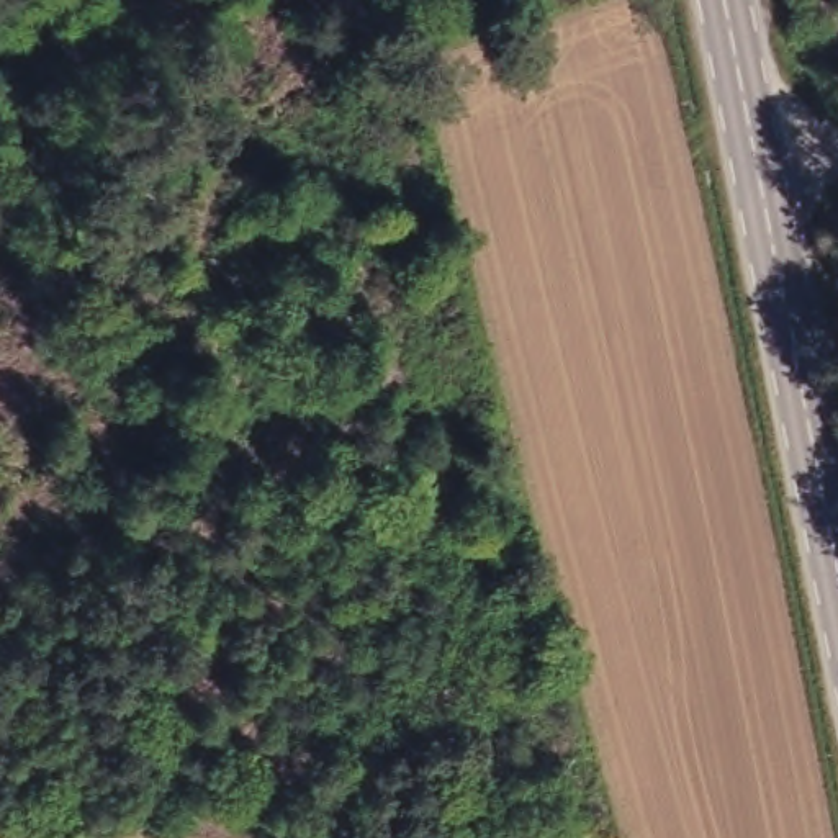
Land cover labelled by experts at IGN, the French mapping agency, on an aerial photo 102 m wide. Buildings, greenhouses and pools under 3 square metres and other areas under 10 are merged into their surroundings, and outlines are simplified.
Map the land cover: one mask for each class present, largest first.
<instances>
[{"label":"deciduous trees","instance_id":"1","mask_svg":"<svg viewBox=\"0 0 838 838\"><path fill-rule=\"evenodd\" d=\"M403 187L386 190L308 154H282L275 144L252 137L246 128H236L226 118L223 101H196L193 111L183 115L180 134L173 137L164 164H144L128 170L118 183L105 187L101 200L92 203V216L79 226L75 249L62 255L65 268L88 265L98 275L95 288L79 301V311L69 324L52 327V334L33 347L46 367V376L52 370H65L75 380L79 396H65L72 409V426L52 445V465L39 478L49 481L59 507H105L108 491L98 481V465L88 458L92 432H105L108 422H147L160 409L157 386L111 393V376L134 357H141L147 347L173 337V331L157 327L160 318H187V295L200 291L206 285V272L219 262V255L232 252L242 242H288L314 229L321 236L318 259L340 275V285L331 295L327 288L304 285L298 278L288 282L268 301L262 314H246L236 308L219 324H200V340L216 357L219 376L210 383L203 399H193L187 406L183 416L193 462L187 471L154 478L144 491H134L137 514L124 527L128 537L151 540L157 530L187 527L200 514L203 491L223 465L229 442H236L255 419H265L272 412H291L347 419L357 406L373 399L390 383V376H383V363L376 360L380 318L399 311L409 301V291L429 275V259L448 252L471 229L465 219L455 216L448 183L429 177L426 167H396ZM331 462L337 465L324 491L318 484H295L275 494L272 481L246 488L239 501V517L249 530V540H242L239 553L196 560V576L183 592L173 589V566L167 563L154 570L147 586H134L131 579L111 586V592H118L124 606H144L157 622L173 625L193 642V648L180 661V671L167 678L164 665H151L124 687L121 701L79 697L75 681L65 678L62 707L49 717H29L26 727L0 707V838H547V825L563 822L566 809V799L556 795L547 782L563 769V756L527 730L524 714L547 710L563 701H583V687L592 678V651H586V632L573 622L566 609V599L556 586V566L540 547L530 507L488 491L481 504L465 507L462 524L455 530H445L435 524L439 475H416L409 465H396V442L383 435L373 448L331 445Z\"/></svg>","mask_w":838,"mask_h":838},{"label":"agricultural land","instance_id":"2","mask_svg":"<svg viewBox=\"0 0 838 838\"><path fill-rule=\"evenodd\" d=\"M556 39V59L543 88L514 92L498 85L478 39H468L465 46H448L442 59L452 65V85L465 98V111L458 115V121L442 124L435 131L448 183L455 216L465 219L471 229L484 236V246L471 259V272L501 376V399L511 412V435L520 455L524 491L530 507L540 547L556 566V586L566 599V609L573 622L586 632V651H592V678L583 687V701L602 779L612 795L615 822L629 838H831L792 622L786 609L782 570L769 527L756 448L743 409V390L737 376L733 337L720 298L710 236L678 115L668 56L658 36L638 13L629 10V0H599L583 3L550 23Z\"/></svg>","mask_w":838,"mask_h":838},{"label":"herbaceous vegetation","instance_id":"3","mask_svg":"<svg viewBox=\"0 0 838 838\"><path fill-rule=\"evenodd\" d=\"M216 20L203 0H118V16L111 23H101L88 29L82 39L69 43L59 59L36 62L29 75L10 92L13 105L33 111H49L52 101L62 95L65 105H79L88 121L101 124L108 121V92L131 95L144 92L147 82L164 79V72L151 69L141 56V46L151 33H167L177 26L200 29L203 23ZM520 13V0H471V33L498 20H514ZM668 56L678 115L710 236L720 298L733 337L737 376L743 390V409L756 448L769 527L782 570L786 609L792 622L831 838H838V743L825 701L822 661L802 586L795 534L786 511V488L769 419V399L756 360V331L750 324L753 311L746 304L740 278L733 223L723 190V167L717 157V131L704 95V75L691 39L687 13L658 36ZM321 236L314 229L288 242H242L232 252L219 255V262L206 272V285L200 291L187 295V318H160L157 327L173 331V337L147 347L141 357H134L111 376V393L157 386L160 409L147 422H108L105 432H92L88 458L98 465V481L108 491L105 507H59L52 514L39 504H26L23 514L10 520L0 547V609H10L13 592L26 586V579L46 583L52 596L62 599L75 592L82 596L88 586H111L131 579L134 586H147L154 570L167 563L173 566V589L183 592L196 576V560L239 553L242 540H249V530L239 517V501L246 488L272 481L275 494L295 484H318L324 491L337 465L331 462V445L373 448L383 435L386 412L399 396L390 383L373 399L357 406L347 419L291 412H272L265 419H255L236 442H229L223 465L203 491L200 514L187 527L157 530L151 540L128 537L124 527L137 514L134 491H144L154 478L187 471L193 462L183 416L187 406L193 399H203L210 383L219 376L216 357L200 340V324H219L236 308L246 314H262L268 301L288 282L298 278L304 285L327 288L331 295L340 285V275L318 259ZM98 275L88 265L65 268L33 272L23 255L0 246V327L23 324V344L33 347L52 334V327L69 324L79 311V301L95 288ZM0 403L16 416V429L26 439V465L39 478L52 465V445L72 426V409L65 396L39 376L0 370ZM527 730L563 756V769L547 782L556 795L566 799V809L563 822L547 825V838H629L615 822L612 795L602 779L583 701H563L547 710L524 714Z\"/></svg>","mask_w":838,"mask_h":838},{"label":"brushwood","instance_id":"4","mask_svg":"<svg viewBox=\"0 0 838 838\"><path fill-rule=\"evenodd\" d=\"M216 20L203 23L200 29L177 26L167 33H151L141 46V56L151 69L164 72V79L147 82L144 92L131 95L108 92V121L101 124L88 121L79 105H65L62 95L52 101L49 111H33L13 105L10 92L29 75L36 62L59 59L69 43L82 39L88 29L101 23H111L118 16V0H0V246L23 255L33 272L65 268L62 255L75 249L79 226L92 216V203L101 200L105 187L118 183L128 170L144 164H164L173 137L180 134L183 115L193 111L196 101H223L226 118L236 128H246L252 137L275 144L282 154H308L386 190L403 187L396 167H426L429 177L448 183L435 131L442 124L458 121V115L465 111V98L452 85V65L442 59L419 62L412 69V79L403 85L380 82L376 88L350 92L344 85V98L331 108H295L285 101V95L298 88L304 79L285 56V33L265 13L272 0H203ZM583 3L599 0H520V13L514 20V33L527 39H534L550 23ZM484 246V236L471 229L448 252L429 259V275L409 291V301L399 311L380 318L376 360L383 363V376H390V383L399 396L386 412L383 435L396 442V465H409L416 475H439L435 524L445 530H455L462 524L465 507L481 504L488 491L530 507L524 491L520 455L511 435V412L501 399V376L471 272V259Z\"/></svg>","mask_w":838,"mask_h":838},{"label":"impervious surface","instance_id":"5","mask_svg":"<svg viewBox=\"0 0 838 838\"><path fill-rule=\"evenodd\" d=\"M691 39L704 75V95L717 131V157L723 167V190L733 223L740 278L746 304L753 311L750 324L756 331V360L769 399V419L786 488V511L795 534L802 586L822 661L825 701L838 743V386L831 383L822 363V340L831 327V314L838 311V200H825V170L831 164L822 154L818 141L812 134L809 118H802L799 98L789 92V82L782 79L773 59L769 0H687V13Z\"/></svg>","mask_w":838,"mask_h":838},{"label":"coniferous trees","instance_id":"6","mask_svg":"<svg viewBox=\"0 0 838 838\"><path fill-rule=\"evenodd\" d=\"M265 13L285 33V56L304 79L298 88L285 95V101L295 108H331L344 98V85L350 92L376 88L380 82L403 85L412 79V69L419 62L442 59L448 46H465L468 39H478L498 85L514 92L543 88L556 59V39L550 23L534 39H527L514 33V20H498L471 33V0H272ZM629 10L638 13L658 36L687 13V0H629ZM773 59L782 79L789 82V92L799 98L802 118H809L812 134L818 141L838 134V0H769ZM822 363L831 383L838 386V311L831 314V327L822 340ZM193 648V642L173 625L157 622L144 606H124L118 592H111V586H88L82 596L75 592L62 599L52 596L46 583L26 579V586L13 592L10 609H0V707L26 727L29 717H49L62 707L65 678L75 681L79 697L121 701L124 687L151 665H164L167 678L180 671V661Z\"/></svg>","mask_w":838,"mask_h":838},{"label":"bare soil","instance_id":"7","mask_svg":"<svg viewBox=\"0 0 838 838\"><path fill-rule=\"evenodd\" d=\"M23 324L0 327V370L39 376L65 396H79L75 380L65 370H52L46 376V367L33 347L23 344ZM26 504H39L52 514L59 507L49 481L39 478L26 465V439L16 429V416L0 403V547L10 520L23 514Z\"/></svg>","mask_w":838,"mask_h":838},{"label":"pervious surface","instance_id":"8","mask_svg":"<svg viewBox=\"0 0 838 838\"><path fill-rule=\"evenodd\" d=\"M822 154L831 164L825 170V200H838V134L818 141Z\"/></svg>","mask_w":838,"mask_h":838}]
</instances>
